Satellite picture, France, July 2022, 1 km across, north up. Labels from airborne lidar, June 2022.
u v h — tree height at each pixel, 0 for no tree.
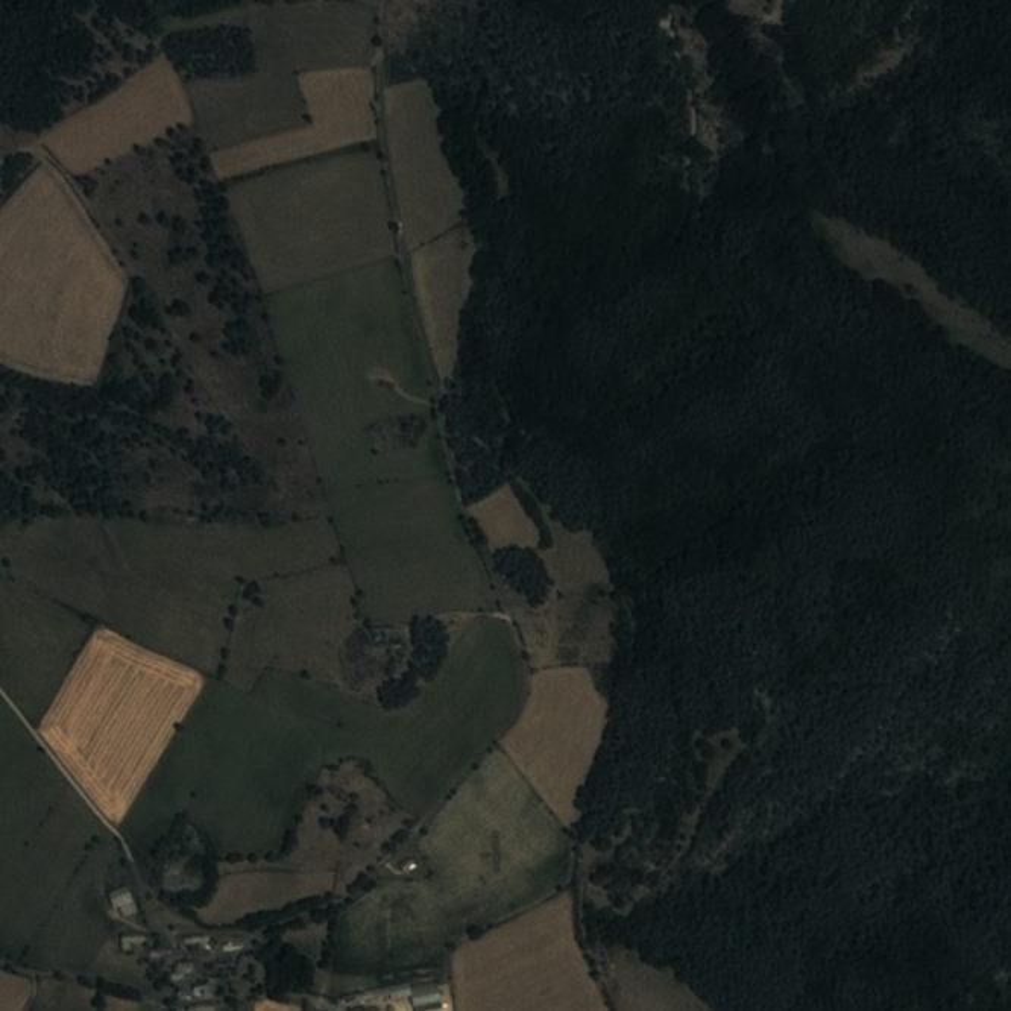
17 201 0
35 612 0
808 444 19
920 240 12
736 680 19
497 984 0
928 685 13
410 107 0
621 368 17
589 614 0
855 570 17
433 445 0
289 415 0
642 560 6
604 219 17
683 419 20
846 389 20
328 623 0
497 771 0
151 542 0
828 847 19
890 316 21
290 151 0
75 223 0
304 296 0
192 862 0
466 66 9
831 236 0
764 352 17
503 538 0
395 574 0
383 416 0
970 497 11
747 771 14
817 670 8
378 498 0
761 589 14
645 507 17
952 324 0
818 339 17
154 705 0
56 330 0
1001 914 20
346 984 0
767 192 29
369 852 0
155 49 11
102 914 0
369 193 0
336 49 0
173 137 15
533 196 16
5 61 16
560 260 13
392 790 0
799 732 14
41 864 0
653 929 15
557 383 20
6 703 0
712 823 18
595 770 13
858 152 28
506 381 20
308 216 0
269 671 0
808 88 16
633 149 21
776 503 18
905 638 10
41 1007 0
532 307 15
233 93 0
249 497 0
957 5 13
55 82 12
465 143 14
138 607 0
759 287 20
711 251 19
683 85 9
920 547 18
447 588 0
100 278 0
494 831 0
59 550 0
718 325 18
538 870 0
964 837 18
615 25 20
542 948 0
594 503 18
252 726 0
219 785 0
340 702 0
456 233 0
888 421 21
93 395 9
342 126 0
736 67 28
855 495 18
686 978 17
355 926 0
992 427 17
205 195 15
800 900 16
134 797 0
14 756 0
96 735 0
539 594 12
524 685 0
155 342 10
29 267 0
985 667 13
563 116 17
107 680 0
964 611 14
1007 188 8
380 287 0
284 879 0
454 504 0
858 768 13
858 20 11
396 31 0
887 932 20
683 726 17
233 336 14
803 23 15
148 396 12
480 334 15
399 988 0
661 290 23
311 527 0
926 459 21
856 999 16
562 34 16
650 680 20
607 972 0
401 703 12
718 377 20
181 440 10
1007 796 24
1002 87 12
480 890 0
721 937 18
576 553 0
